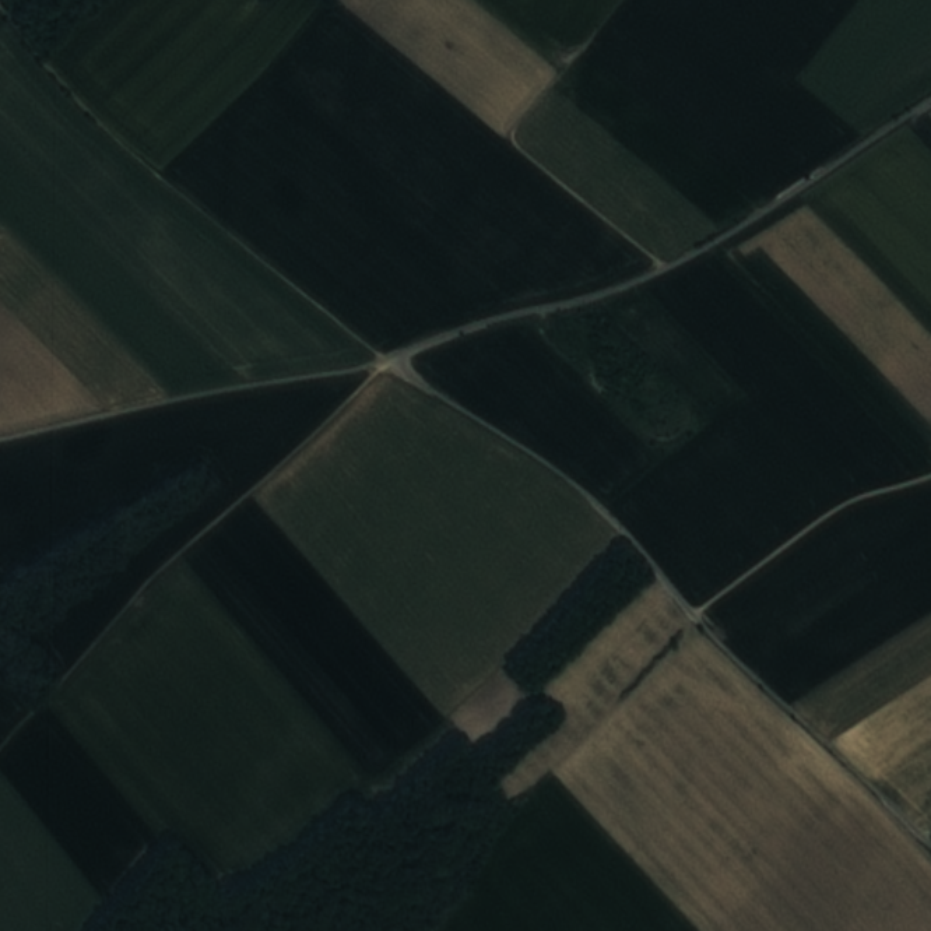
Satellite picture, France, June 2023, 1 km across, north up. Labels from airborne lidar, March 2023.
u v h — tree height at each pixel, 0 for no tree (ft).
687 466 0
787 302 0
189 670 0
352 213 0
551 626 59
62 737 0
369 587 0
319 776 0
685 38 0
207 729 0
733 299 0
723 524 0
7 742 0
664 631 0
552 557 0
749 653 0
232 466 0
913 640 0
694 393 0
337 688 0
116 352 0
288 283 0
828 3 0
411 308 0
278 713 0
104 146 0
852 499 0
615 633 0
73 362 0
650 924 0
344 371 0
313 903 92
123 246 0
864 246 0
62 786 0
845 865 0
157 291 0
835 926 0
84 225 0
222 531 0
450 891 77
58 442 0
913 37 0
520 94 0
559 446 0
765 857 0
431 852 85
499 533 0
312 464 0
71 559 58
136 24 0
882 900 0
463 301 0
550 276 0
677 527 0
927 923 0
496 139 0
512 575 0
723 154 0
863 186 0
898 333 0
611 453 0
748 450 0
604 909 0
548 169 0
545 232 0
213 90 0
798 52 0
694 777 0
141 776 0
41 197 0
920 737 0
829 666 0
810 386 0
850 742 0
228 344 0
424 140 0
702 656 0
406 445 0
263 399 0
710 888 0
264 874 72
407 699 0
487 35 0
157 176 0
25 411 0
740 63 0
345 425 0
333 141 0
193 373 0
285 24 0
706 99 0
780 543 0
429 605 0
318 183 0
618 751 0
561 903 0
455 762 65
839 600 0
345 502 0
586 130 0
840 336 0
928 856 0
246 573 0
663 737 0
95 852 0
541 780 0
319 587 0
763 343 0
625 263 0
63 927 0
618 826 0
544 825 0
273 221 0
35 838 0
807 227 0
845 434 0
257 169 0
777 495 0
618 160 0
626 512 0
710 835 0
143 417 0
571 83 0
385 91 0
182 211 0
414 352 0
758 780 0
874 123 0
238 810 0
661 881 0
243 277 0
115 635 0
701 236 0
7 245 0
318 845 74
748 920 0
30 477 0
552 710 62
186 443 0
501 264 0
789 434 0
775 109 0
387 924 79
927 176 0
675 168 0
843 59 0
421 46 0
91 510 0
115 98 0
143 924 83
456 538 0
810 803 0
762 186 0
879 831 0
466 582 0
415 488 0
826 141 0
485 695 0
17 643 61
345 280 0
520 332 0
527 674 55
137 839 0
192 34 0
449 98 0
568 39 0
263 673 0
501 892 0
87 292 0
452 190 0
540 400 0
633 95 0
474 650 0
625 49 0
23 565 57
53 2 64
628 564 62
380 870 83
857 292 0
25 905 0
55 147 0
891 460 0
